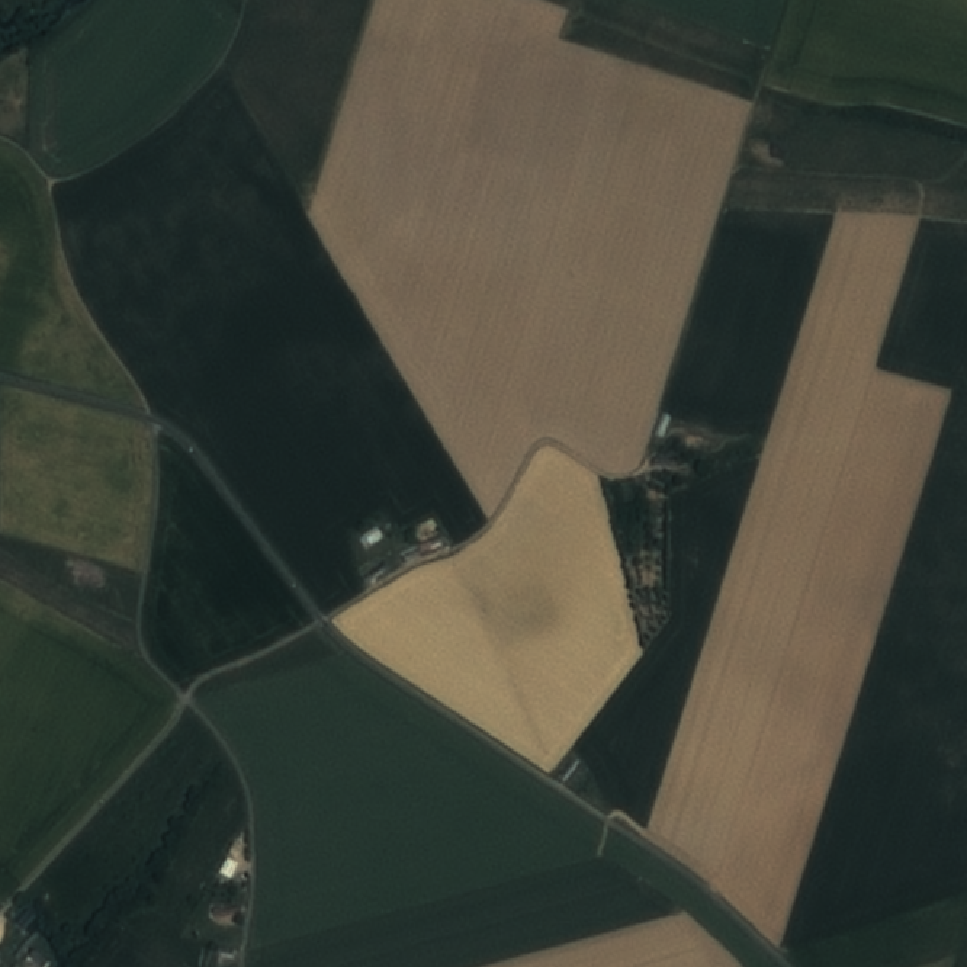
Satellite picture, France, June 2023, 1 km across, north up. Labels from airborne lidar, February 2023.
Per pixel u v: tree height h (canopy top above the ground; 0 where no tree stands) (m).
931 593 0
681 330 0
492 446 0
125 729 0
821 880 0
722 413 0
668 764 0
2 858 0
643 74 0
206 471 0
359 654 0
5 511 0
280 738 0
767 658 0
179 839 6
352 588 0
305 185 0
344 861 0
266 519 0
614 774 0
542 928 0
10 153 0
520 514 0
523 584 0
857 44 0
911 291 0
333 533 0
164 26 0
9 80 0
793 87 0
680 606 0
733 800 0
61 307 0
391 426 0
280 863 0
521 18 0
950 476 0
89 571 0
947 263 0
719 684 0
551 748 0
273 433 0
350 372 0
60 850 0
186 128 0
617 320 0
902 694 0
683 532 0
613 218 0
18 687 0
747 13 0
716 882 0
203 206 0
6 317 0
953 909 0
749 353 0
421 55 0
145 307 0
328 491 0
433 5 0
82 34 0
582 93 0
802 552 0
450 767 0
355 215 0
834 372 0
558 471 0
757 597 0
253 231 0
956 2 0
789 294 0
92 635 0
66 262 0
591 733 0
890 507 0
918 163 0
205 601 0
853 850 0
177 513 0
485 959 0
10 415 0
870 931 0
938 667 0
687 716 0
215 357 0
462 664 0
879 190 0
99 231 0
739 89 0
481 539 0
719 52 0
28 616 0
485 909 0
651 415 0
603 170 0
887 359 0
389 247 0
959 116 0
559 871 0
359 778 0
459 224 0
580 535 0
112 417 0
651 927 0
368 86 0
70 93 0
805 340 0
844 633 0
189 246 0
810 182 0
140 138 0
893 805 0
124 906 11
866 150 0
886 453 0
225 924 0
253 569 0
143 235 0
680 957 0
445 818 0
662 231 0
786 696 0
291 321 0
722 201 0
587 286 0
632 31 0
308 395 0
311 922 0
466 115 0
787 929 0
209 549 0
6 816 0
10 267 0
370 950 0
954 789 0
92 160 0
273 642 0
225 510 0
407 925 0
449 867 0
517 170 0
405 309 0
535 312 0
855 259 0
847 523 0
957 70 0
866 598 0
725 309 0
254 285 0
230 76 0
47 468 0
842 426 0
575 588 0
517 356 0
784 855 0
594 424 0
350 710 0
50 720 0
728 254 0
